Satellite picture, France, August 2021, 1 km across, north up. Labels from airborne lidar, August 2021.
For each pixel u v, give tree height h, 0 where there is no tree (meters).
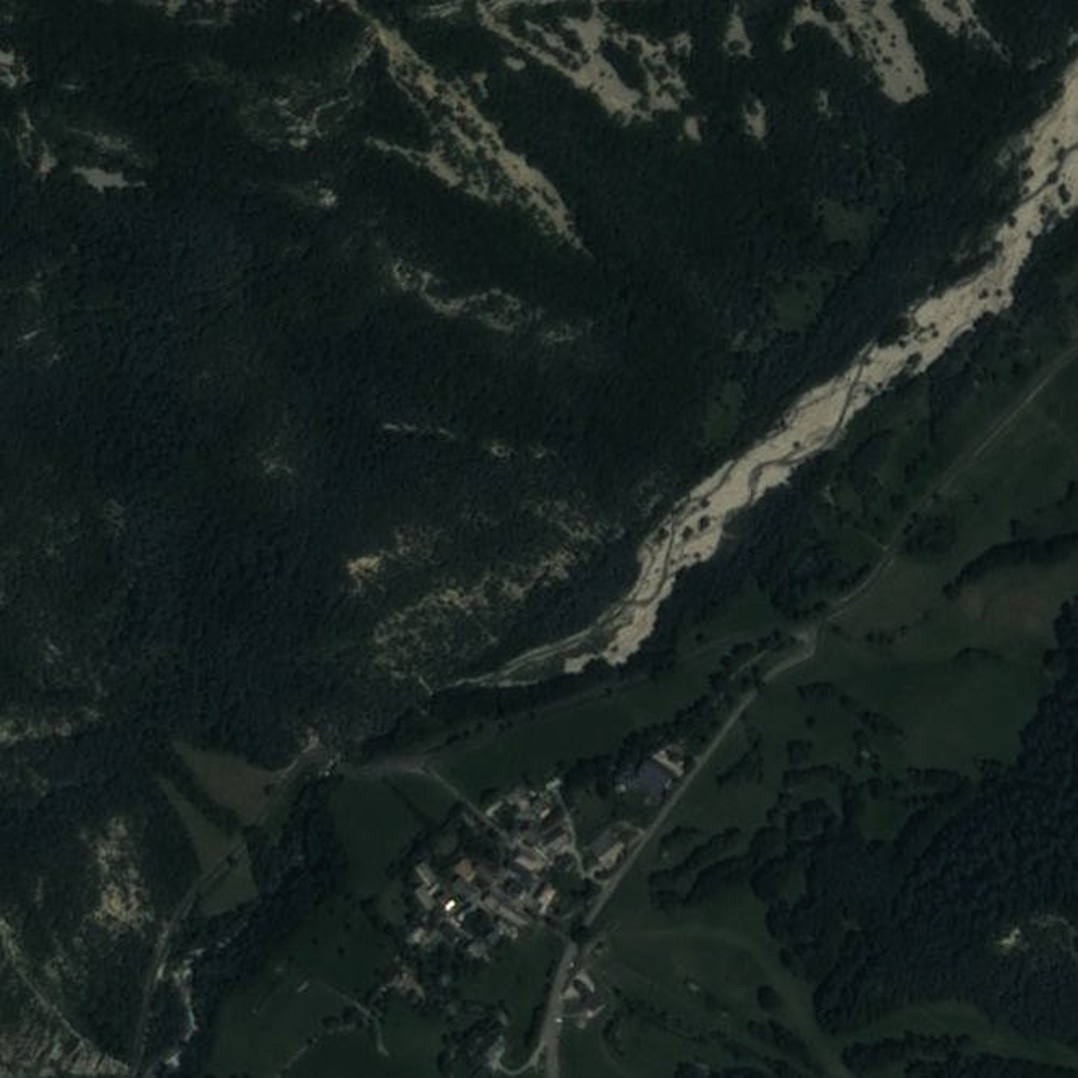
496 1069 0
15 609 11
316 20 15
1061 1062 0
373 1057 0
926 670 0
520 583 12
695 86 15
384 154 13
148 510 11
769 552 14
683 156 17
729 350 12
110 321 15
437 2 8
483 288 11
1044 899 11
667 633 12
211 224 19
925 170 20
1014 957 7
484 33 6
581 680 10
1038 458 0
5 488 10
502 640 10
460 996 10
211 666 14
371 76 12
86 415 17
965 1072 14
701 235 18
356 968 0
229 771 0
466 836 9
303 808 10
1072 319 0
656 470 13
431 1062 0
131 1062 15
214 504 11
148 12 7
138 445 10
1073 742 22
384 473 20
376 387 12
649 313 26
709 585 11
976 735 0
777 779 0
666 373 22
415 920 5
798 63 19
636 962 0
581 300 19
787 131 17
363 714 12
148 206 19
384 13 8
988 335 8
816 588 16
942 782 17
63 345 14
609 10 11
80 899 9
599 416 17
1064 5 14
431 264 8
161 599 7
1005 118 13
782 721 0
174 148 18
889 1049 14
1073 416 0
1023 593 0
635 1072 0
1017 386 0
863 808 16
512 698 19
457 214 19
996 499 0
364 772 0
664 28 14
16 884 13
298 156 14
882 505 0
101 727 12
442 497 12
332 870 19
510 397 17
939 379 10
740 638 0
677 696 0
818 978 16
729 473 0
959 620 0
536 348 8
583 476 16
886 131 16
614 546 10
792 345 20
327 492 14
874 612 0
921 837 26
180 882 10
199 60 13
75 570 14
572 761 0
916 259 9
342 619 10
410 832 0
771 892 20
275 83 6
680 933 0
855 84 16
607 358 10
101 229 16
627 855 8
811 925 21
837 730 0
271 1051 0
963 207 11
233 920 15
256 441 9
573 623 11
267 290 17
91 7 11
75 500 10
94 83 10
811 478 13
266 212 19
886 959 18
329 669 8
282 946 18
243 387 13
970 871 18
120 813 15
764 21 15
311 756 0
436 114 7
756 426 13
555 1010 0
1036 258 11
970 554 0
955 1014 0
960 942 15
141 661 8
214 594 15
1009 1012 14
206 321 18
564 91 13
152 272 22
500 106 17
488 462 23
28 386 15
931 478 0
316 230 14
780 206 21
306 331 9
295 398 13
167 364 9
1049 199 0
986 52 10
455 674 12
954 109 16
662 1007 0
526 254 19
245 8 11
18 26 11
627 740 0
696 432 12
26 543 9
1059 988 11
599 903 0
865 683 0
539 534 11
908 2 11
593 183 13
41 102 16
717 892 12
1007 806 21
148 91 17
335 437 20
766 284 13
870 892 24
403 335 12
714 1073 0
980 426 0
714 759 0
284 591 25
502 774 0
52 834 16
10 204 19
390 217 9
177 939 8
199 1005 11
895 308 8
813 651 0
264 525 8
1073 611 19
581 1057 0
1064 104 0
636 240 13
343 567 14
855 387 0
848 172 9
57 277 11
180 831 19
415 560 7
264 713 18
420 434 8
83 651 11
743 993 0
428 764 0
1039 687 0
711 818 0
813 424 0
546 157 18
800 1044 17
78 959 8
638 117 9
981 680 0
